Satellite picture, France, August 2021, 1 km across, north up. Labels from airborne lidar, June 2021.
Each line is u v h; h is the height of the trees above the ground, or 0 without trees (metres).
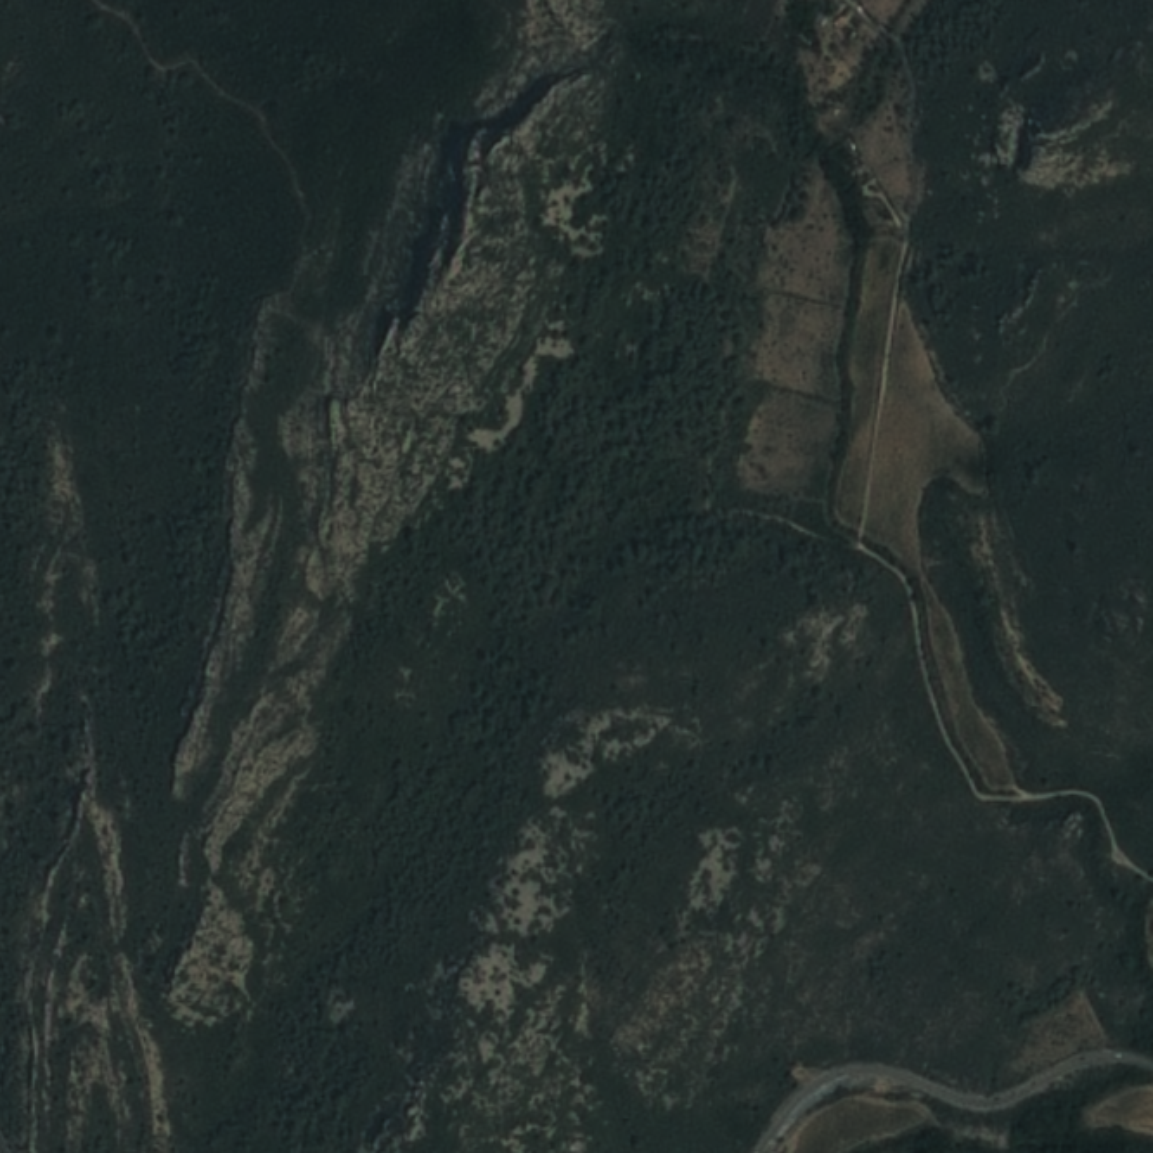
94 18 9
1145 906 10
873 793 0
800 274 0
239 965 0
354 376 0
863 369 0
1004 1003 8
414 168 0
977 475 0
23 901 6
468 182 15
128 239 8
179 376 12
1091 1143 7
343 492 0
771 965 0
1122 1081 8
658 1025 0
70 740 11
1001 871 0
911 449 0
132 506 6
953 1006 0
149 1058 0
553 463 12
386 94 8
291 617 0
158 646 11
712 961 0
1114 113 0
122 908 0
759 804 0
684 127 7
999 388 0
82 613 0
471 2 6
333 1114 5
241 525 0
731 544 9
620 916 9
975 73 11
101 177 13
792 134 7
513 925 0
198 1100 7
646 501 7
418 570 10
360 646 7
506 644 12
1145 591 0
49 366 7
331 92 7
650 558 17
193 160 7
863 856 0
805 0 7
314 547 0
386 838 10
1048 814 6
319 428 0
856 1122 0
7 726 11
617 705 0
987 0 15
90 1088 0
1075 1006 0
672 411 17
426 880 7
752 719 0
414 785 11
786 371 0
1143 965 11
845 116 0
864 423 0
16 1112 6
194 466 11
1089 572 0
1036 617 0
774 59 12
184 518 7
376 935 8
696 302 15
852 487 0
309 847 8
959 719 0
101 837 0
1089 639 0
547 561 8
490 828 9
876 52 12
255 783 0
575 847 0
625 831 8
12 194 8
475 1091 0
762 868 0
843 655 0
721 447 10
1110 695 0
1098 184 0
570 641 9
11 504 6
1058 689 0
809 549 12
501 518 17
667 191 9
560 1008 0
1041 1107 7
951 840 0
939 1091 0
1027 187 0
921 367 0
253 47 10
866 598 7
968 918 0
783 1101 0
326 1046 12
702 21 6
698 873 0
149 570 6
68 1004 0
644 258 12
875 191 7
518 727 7
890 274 0
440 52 6
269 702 0
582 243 11
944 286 9
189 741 0
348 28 6
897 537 0
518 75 0
